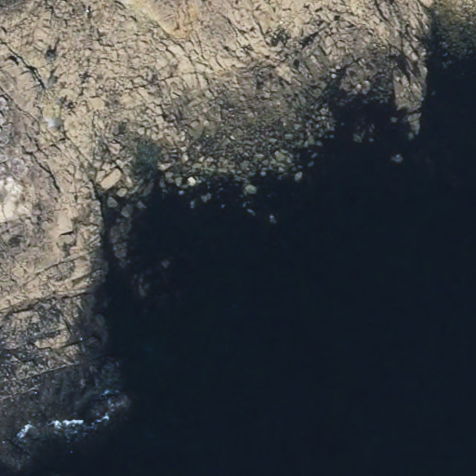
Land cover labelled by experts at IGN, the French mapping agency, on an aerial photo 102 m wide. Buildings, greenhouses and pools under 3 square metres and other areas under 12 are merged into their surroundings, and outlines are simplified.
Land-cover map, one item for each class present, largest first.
<instances>
[{"label":"water","instance_id":"1","mask_svg":"<svg viewBox=\"0 0 476 476\"><path fill-rule=\"evenodd\" d=\"M430 32L418 35V43L426 48L428 74L426 86L422 87L420 128L413 139L407 138L411 130V125L407 121V108L396 106L394 82L389 76L376 74L370 82V89L366 93L355 95L346 93L340 87L342 80L346 78V69L340 67L337 78L322 76L325 82L324 95L318 97L320 104L333 115L335 128L327 130L324 138H316V141H322L320 147H303L297 154L299 158L292 160L284 171L271 169L264 177L253 175L251 184L255 186V193L245 192L244 184L240 180H234L231 173H210L205 182L190 186L184 195H178L177 184L169 182L164 171L160 169L162 151L154 143V139L145 138L138 143L134 162L130 164V177L141 180L138 192L119 195L115 186H93L95 199L99 201L102 214V229L100 244L91 253V266L86 273L89 284L82 292L78 318L73 324L67 325V340L71 342V346H76V364L54 368L45 374L33 376L39 385L35 394L24 392L15 400L0 402V476H476V0H446L426 7Z\"/></svg>","mask_w":476,"mask_h":476},{"label":"bare soil","instance_id":"2","mask_svg":"<svg viewBox=\"0 0 476 476\"><path fill-rule=\"evenodd\" d=\"M446 0H0V402L15 400L24 392L35 394L39 385L33 376L45 374L54 368L76 364V346H71V342L67 340V325L73 324L78 318L82 292L89 284L86 273L91 266V253L100 244L102 229V214L99 201L95 199L93 186H115L119 195L138 192L141 180L130 177V164L134 162L138 143L145 138L154 139V143L162 151L160 169L164 171L169 182L177 184L178 195H184L190 186L205 182L210 173H231L234 180H240L244 184L245 192L255 193V186L251 184L253 175L264 177L271 169L284 171L292 160L299 158L297 154L303 147H320L322 141H316V138H324L327 130L335 128L333 115L320 104L318 97L324 95L325 82L322 76L337 78L340 67L346 69V78L342 80L340 87L346 93L355 95L366 93L370 89V82L376 74L389 76L394 82L396 106L407 108V121L411 125V130L407 138L413 139L420 128L422 87L426 86L428 74L426 48L418 43V35L430 32L426 7Z\"/></svg>","mask_w":476,"mask_h":476}]
</instances>
